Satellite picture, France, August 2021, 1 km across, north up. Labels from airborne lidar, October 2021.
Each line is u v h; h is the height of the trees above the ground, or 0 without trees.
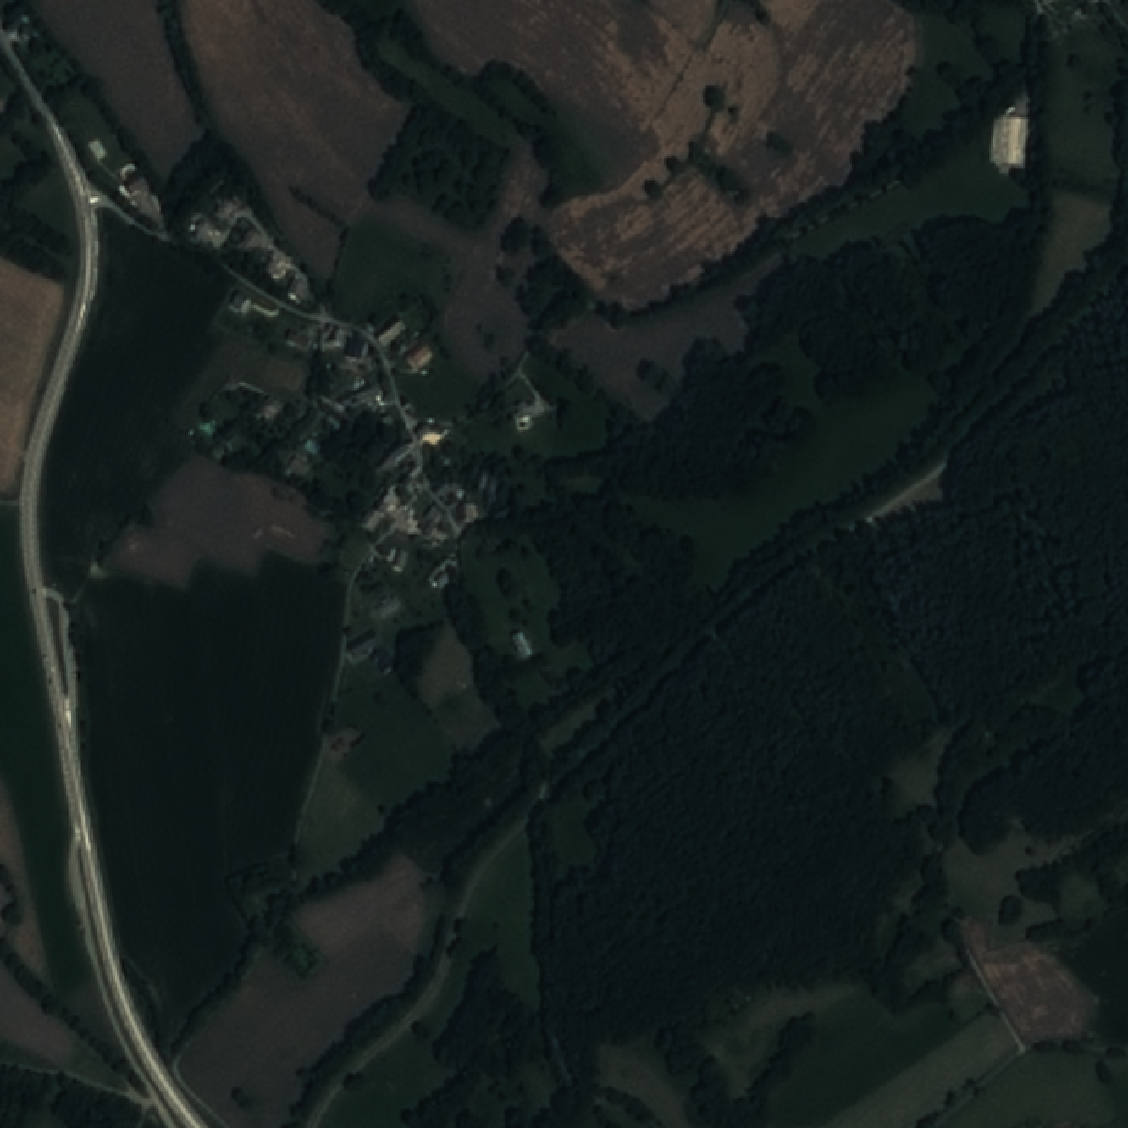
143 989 10
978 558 20
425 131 8
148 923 0
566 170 0
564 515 14
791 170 0
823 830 23
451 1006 0
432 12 0
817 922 17
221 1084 0
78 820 0
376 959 0
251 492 0
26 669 0
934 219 0
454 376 0
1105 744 17
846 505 11
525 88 16
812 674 27
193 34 0
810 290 23
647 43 0
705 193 0
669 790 26
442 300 0
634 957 26
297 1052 0
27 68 10
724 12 0
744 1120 18
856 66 0
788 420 20
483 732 0
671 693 21
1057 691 0
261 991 0
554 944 21
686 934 27
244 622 0
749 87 0
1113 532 29
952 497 22
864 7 0
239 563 0
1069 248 0
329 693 0
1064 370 15
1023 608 23
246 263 7
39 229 19
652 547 21
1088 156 0
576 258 0
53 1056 0
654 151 0
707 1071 16
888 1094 0
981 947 0
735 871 26
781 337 19
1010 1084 0
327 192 0
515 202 0
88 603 0
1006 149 0
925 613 26
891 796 7
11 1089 13
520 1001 14
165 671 0
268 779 0
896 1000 18
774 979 14
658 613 27
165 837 0
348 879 12
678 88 0
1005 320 23
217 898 0
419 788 0
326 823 0
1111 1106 0
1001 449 24
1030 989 0
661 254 0
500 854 0
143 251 0
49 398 0
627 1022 19
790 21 0
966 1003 0
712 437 29
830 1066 0
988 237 21
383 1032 16
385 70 19
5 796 0
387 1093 0
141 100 0
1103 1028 0
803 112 0
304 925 0
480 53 0
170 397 0
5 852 0
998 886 0
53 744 0
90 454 0
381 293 0
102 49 0
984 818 14
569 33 0
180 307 0
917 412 0
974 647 24
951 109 0
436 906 0
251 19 0
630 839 28
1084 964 0
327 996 0
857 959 16
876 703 26
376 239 0
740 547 0
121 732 0
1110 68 0
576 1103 15
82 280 0
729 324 0
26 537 0
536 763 16
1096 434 25
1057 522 28
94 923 0
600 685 17
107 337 0
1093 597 27
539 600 0
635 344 0
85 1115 10
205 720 0
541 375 0
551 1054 13
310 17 0
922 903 19
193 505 0
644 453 25
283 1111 0
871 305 28
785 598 27
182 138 0
